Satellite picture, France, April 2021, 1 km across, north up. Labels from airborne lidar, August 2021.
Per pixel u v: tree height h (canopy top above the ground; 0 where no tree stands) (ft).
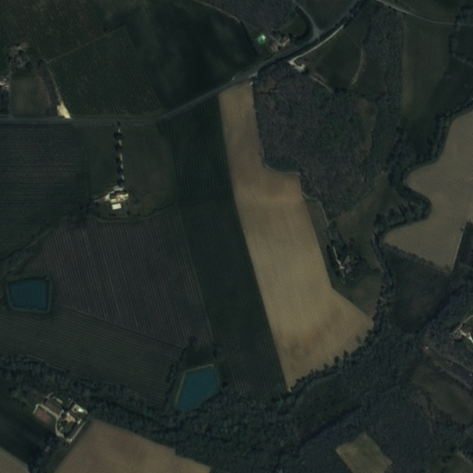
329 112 64
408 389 53
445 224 0
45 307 0
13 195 22
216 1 54
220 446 94
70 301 23
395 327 73
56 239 21
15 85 0
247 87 0
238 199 0
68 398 34
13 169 25
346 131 60
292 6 77
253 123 0
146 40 0
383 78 0
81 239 22
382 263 37
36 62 0
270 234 0
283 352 0
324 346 0
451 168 0
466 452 29
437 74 0
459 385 19
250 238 0
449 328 58
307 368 0
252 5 61
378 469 0
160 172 0
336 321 0
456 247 0
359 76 0
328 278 0
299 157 47
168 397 52
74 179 21
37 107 0
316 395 23
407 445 46
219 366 0
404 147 61
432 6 0
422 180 0
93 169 0
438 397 0
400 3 28
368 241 0
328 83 0
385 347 76
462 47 0
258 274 0
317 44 26
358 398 83
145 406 56
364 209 0
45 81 61
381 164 41
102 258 22
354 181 60
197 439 76
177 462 0
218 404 72
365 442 0
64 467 0
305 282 0
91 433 0
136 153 0
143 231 21
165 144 0
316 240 0
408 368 39
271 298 0
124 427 32
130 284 21
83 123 0
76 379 32
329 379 59
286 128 63
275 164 29
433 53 0
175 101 0
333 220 36
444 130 31
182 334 24
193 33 0
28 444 0
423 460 45
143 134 0
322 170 59
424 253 0
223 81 0
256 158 0
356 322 0
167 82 0
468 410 0
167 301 19
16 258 38
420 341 34
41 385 56
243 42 0
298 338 0
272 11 68
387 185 0
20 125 19
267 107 52
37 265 22
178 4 0
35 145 23
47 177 23
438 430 49
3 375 34
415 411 45
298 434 90
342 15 0
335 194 65
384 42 49
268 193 0
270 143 48
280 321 0
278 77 60
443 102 0
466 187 0
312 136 60
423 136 0
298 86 63
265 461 61
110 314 24
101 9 0
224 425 77
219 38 0
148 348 19
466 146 0
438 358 0
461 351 68
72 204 18
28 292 0
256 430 41
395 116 38
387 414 54
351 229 0
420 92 0
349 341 0
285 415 30
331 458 43
